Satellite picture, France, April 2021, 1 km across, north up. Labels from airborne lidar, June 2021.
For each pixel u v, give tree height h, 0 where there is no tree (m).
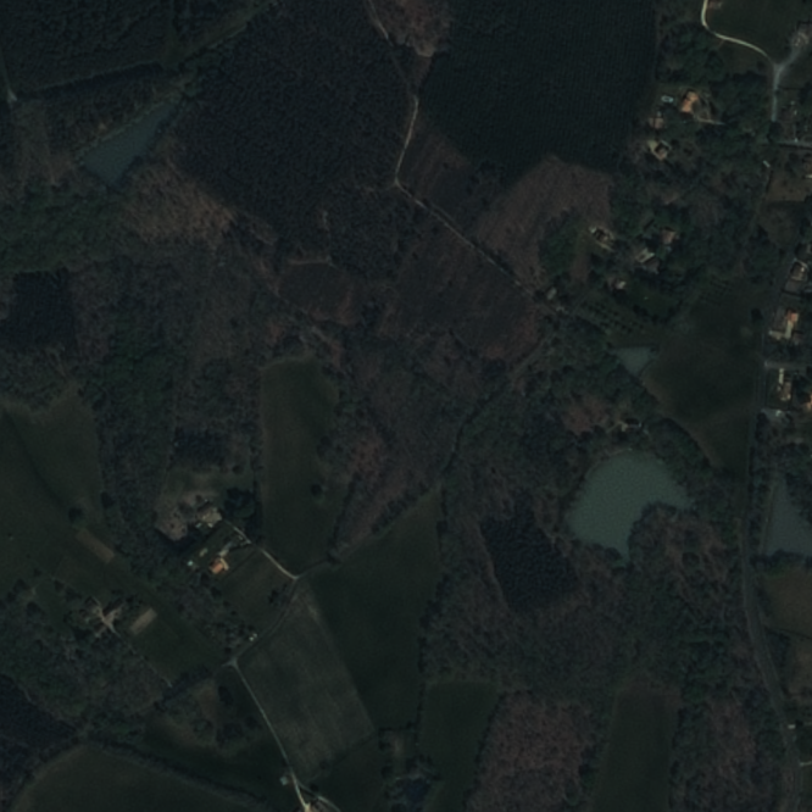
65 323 13
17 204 25
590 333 21
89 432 0
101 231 23
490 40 11
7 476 0
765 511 18
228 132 19
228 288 11
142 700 20
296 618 0
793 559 9
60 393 19
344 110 18
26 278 8
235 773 0
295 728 0
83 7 22
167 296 12
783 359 19
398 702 0
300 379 0
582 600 15
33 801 0
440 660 18
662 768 0
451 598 23
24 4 11
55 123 19
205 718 23
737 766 12
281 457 0
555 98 8
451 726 0
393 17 9
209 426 9
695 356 0
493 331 0
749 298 0
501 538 19
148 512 20
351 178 17
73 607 15
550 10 10
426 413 11
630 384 25
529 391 7
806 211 0
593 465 18
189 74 19
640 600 22
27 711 8
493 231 19
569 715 6
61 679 18
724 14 0
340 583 0
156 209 19
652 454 17
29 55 11
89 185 25
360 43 17
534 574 15
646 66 14
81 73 11
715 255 21
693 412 0
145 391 18
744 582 18
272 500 0
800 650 0
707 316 0
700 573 14
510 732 8
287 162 17
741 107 16
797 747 0
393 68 17
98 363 13
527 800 7
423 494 19
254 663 0
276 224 16
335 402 0
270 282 8
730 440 0
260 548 15
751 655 14
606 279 17
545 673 19
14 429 0
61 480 0
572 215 21
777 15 0
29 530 0
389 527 17
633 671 15
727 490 22
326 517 0
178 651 0
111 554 0
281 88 19
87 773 0
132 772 0
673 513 13
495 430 21
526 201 19
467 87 12
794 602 0
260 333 14
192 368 14
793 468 16
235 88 19
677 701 0
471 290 0
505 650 17
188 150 8
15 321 12
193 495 0
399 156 19
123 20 21
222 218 13
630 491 0
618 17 8
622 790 0
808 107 18
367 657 0
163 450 20
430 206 15
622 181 16
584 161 9
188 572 15
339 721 0
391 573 0
